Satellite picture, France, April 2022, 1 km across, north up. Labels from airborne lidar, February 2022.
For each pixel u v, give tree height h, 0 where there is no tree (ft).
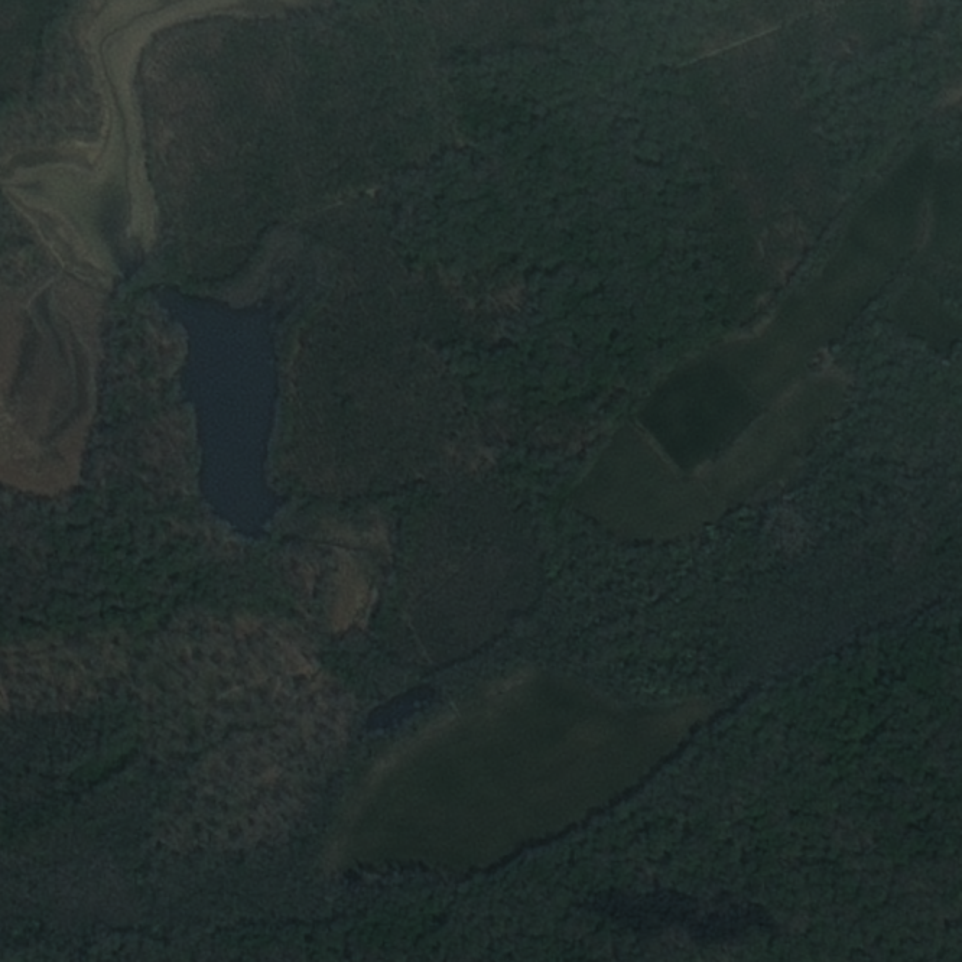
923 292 0
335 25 36
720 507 0
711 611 53
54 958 87
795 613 62
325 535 0
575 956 70
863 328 24
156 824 79
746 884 84
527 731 0
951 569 71
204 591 70
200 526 90
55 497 0
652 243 90
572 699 0
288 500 33
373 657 72
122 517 96
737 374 0
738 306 31
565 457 79
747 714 88
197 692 89
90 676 80
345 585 0
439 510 44
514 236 77
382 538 0
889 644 80
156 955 87
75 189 0
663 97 78
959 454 73
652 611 60
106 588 91
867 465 57
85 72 64
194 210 32
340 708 86
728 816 94
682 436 0
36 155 0
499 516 42
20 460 0
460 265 85
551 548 75
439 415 32
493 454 75
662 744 0
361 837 0
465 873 0
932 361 44
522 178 81
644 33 85
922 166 0
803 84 74
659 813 82
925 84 75
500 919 81
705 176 81
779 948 83
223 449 0
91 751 80
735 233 29
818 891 85
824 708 78
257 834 73
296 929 63
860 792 91
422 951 88
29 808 70
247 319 0
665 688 61
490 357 80
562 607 76
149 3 0
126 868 40
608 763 0
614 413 59
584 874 79
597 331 97
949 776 63
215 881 75
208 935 82
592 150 74
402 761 0
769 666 64
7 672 89
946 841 83
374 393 33
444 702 61
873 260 0
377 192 61
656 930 90
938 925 89
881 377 57
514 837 0
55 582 72
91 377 0
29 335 0
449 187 87
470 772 0
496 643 32
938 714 91
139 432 90
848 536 70
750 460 0
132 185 0
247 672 86
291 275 0
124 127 0
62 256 0
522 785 0
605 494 0
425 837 0
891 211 0
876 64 89
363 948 81
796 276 43
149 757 81
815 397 0
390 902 79
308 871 54
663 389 0
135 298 62
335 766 80
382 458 42
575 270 85
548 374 82
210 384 0
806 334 0
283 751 84
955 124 71
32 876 62
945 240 0
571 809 0
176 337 71
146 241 0
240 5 0
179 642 85
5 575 101
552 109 77
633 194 77
